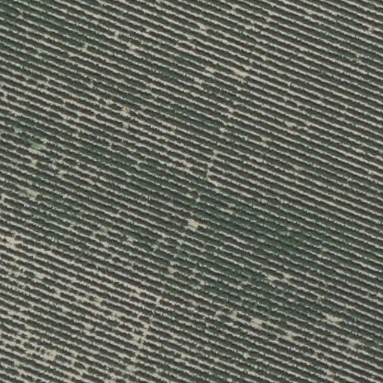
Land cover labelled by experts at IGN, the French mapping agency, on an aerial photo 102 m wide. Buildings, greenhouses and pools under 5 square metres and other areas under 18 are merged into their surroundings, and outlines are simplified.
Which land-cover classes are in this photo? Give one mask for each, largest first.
<instances>
[{"label":"vineyard","instance_id":"1","mask_svg":"<svg viewBox=\"0 0 383 383\"><path fill-rule=\"evenodd\" d=\"M0 383H383V0H0Z\"/></svg>","mask_w":383,"mask_h":383}]
</instances>
